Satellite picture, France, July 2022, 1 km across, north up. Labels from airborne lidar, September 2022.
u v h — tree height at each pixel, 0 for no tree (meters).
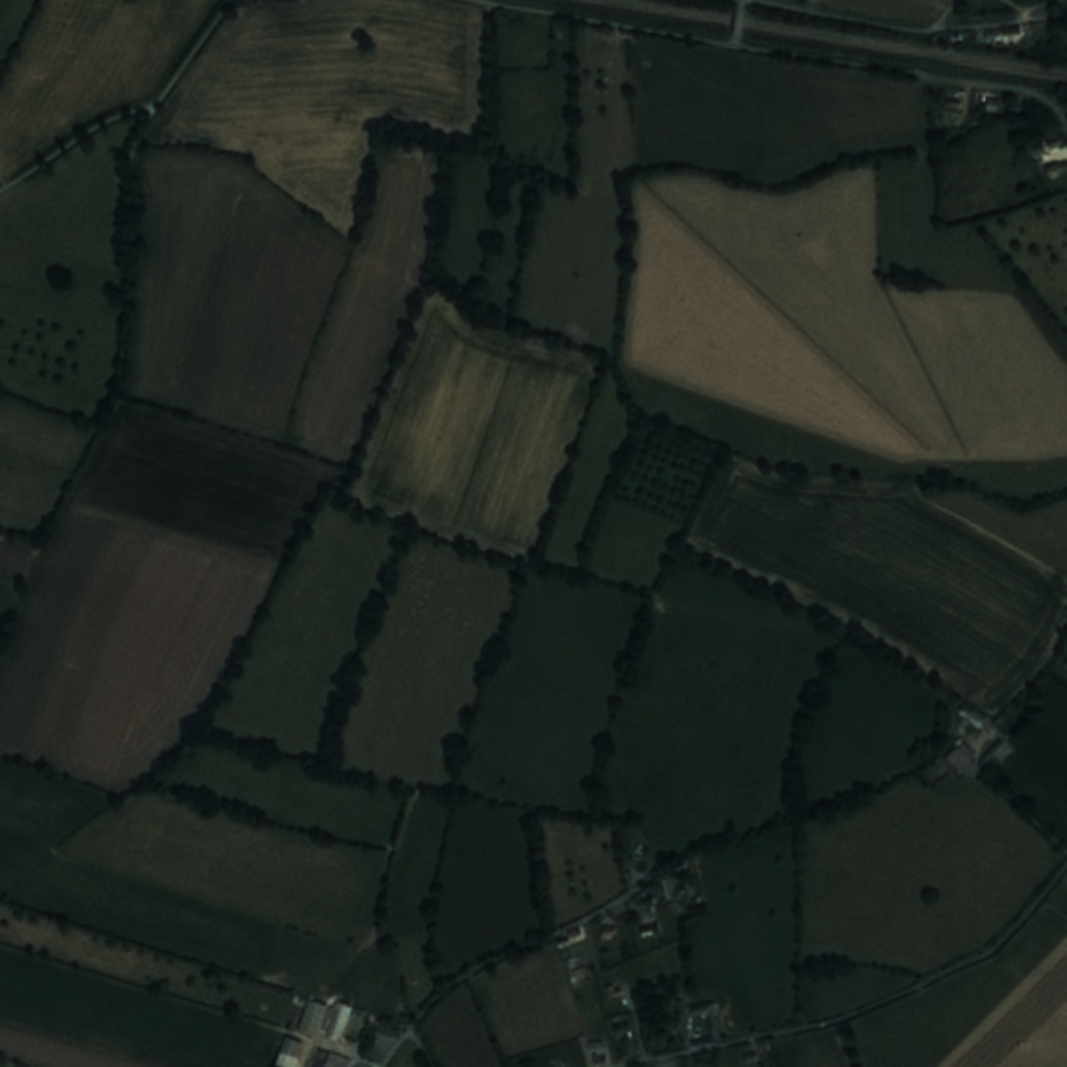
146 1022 0
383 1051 0
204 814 16
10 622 17
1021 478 0
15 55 11
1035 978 0
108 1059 0
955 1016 0
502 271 0
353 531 0
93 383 0
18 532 8
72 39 0
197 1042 0
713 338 0
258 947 0
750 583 19
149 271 0
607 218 0
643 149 0
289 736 0
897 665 14
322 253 0
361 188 14
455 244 0
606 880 0
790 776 17
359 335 0
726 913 0
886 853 0
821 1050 0
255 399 0
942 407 0
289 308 0
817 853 0
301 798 0
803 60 10
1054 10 11
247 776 0
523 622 0
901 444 0
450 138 10
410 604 0
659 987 6
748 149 0
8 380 0
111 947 6
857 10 0
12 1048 0
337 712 21
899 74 12
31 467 0
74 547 0
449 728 0
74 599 0
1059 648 9
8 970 0
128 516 0
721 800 0
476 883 0
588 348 9
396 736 0
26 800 0
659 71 0
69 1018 0
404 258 0
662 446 6
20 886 0
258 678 0
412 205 0
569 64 19
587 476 0
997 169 0
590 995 0
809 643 0
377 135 23
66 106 0
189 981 7
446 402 0
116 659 0
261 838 0
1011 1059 0
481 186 0
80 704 0
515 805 7
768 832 8
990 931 0
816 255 0
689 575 0
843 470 12
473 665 0
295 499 0
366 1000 0
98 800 0
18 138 0
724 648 0
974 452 0
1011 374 0
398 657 0
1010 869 0
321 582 0
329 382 0
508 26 0
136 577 0
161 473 0
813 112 0
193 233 0
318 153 0
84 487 0
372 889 0
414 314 14
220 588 0
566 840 0
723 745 0
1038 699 11
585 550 14
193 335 0
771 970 0
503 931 0
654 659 0
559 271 0
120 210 12
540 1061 0
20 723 0
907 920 0
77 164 0
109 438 0
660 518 6
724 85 0
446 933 0
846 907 0
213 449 0
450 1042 0
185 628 0
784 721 0
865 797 18
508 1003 0
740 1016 0
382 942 14
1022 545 0
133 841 0
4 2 0
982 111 6
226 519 0
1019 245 8
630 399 12
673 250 0
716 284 0
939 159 10
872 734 0
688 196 0
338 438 0
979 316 0
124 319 10
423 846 0
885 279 11
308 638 0
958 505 0
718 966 0
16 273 0
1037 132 6
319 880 0
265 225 0
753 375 0
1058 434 0
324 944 0
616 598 0
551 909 19
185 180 0
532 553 13
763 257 0
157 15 0
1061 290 0
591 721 0
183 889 0
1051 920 0
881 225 0
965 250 0
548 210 0
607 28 7
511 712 0
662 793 0
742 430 0
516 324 21
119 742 0
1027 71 0
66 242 0
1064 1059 0
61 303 0
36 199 0
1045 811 0
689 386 0
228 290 0
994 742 0
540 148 0
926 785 9
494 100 9
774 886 0
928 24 0
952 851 0
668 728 0
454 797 15
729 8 8
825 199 0
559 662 0
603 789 17
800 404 0
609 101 0
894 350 0
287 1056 0
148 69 0
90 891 0
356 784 17
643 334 0
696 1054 7
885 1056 0
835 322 0
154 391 0
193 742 20
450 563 0
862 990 0
